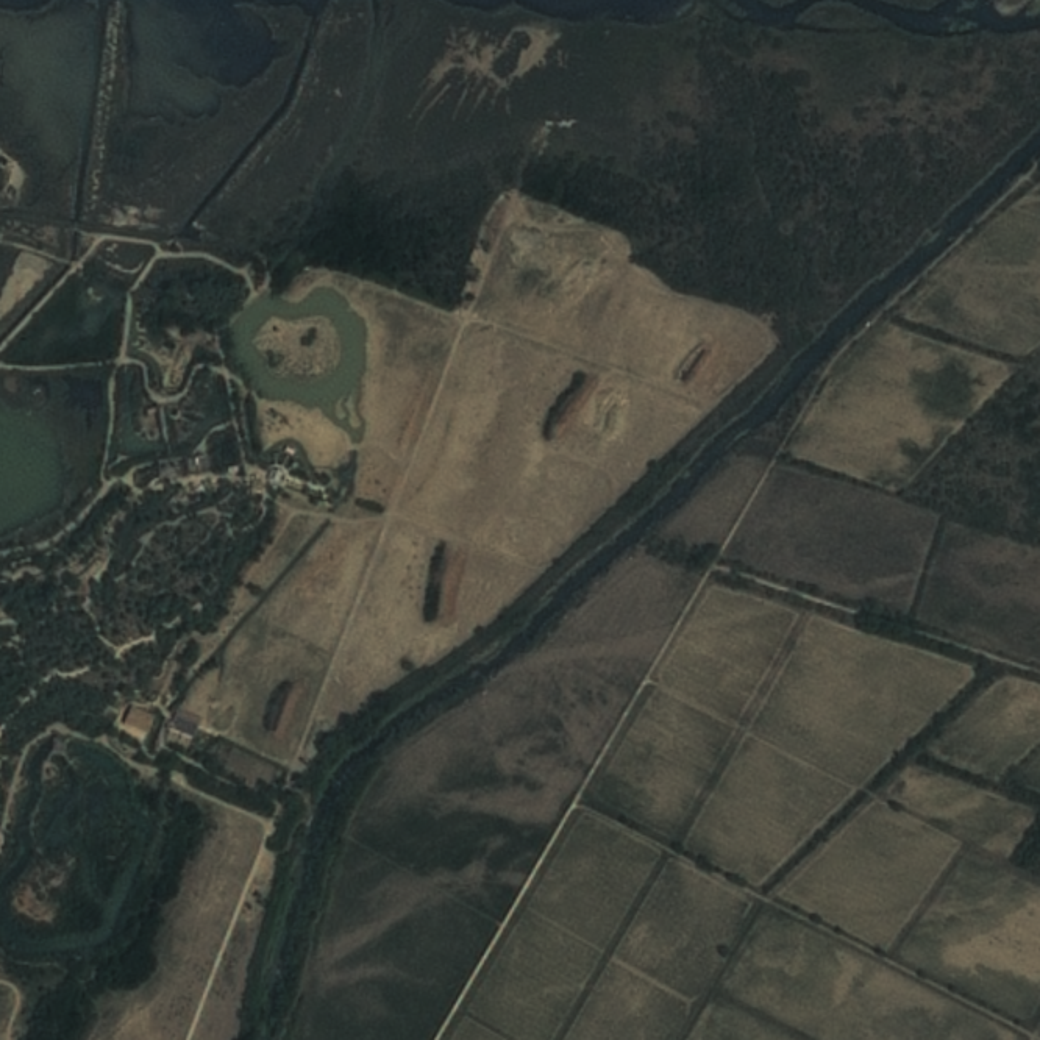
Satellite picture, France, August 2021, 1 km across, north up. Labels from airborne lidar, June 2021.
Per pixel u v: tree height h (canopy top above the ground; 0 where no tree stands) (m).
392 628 0
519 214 0
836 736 0
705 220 8
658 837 0
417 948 0
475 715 0
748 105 8
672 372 0
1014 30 0
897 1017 0
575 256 0
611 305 0
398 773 0
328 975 0
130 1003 0
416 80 0
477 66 0
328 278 0
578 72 0
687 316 0
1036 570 0
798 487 0
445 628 0
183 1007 0
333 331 0
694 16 0
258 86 0
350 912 0
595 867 0
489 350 0
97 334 0
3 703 12
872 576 0
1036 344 0
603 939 0
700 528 0
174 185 0
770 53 0
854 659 0
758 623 0
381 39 0
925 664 0
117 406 5
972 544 0
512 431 0
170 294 11
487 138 0
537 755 0
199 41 0
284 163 0
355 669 0
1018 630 0
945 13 0
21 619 10
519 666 0
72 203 0
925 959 0
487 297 0
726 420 7
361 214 8
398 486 0
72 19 0
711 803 0
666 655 0
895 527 0
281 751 0
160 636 11
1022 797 8
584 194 7
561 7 0
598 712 0
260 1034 13
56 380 0
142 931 9
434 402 0
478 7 0
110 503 11
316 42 0
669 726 0
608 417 0
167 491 8
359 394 0
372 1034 0
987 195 0
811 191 8
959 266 0
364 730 15
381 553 0
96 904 7
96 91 0
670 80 0
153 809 7
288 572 0
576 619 0
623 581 0
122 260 0
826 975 0
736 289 7
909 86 0
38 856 6
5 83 0
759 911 0
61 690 9
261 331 0
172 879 10
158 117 0
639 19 0
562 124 0
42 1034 8
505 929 0
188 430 6
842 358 0
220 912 0
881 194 8
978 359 0
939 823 0
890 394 0
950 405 0
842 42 0
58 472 0
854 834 0
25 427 0
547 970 0
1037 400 0
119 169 0
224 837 0
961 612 0
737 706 0
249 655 0
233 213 0
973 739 0
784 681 0
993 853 0
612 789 0
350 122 0
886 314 7
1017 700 0
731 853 0
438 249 12
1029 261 0
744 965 0
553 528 0
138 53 0
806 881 0
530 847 0
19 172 0
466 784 0
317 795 7
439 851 0
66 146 0
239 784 9
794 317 11
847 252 8
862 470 0
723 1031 0
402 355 0
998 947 0
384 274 6
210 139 0
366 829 0
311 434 0
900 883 0
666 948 0
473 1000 0
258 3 0
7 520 0
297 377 0
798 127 8
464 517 0
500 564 0
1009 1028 0
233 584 13
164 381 0
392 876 0
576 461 0
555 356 0
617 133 0
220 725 0
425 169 0
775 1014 0
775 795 0
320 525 0
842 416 0
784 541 0
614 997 0
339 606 0
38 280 0
